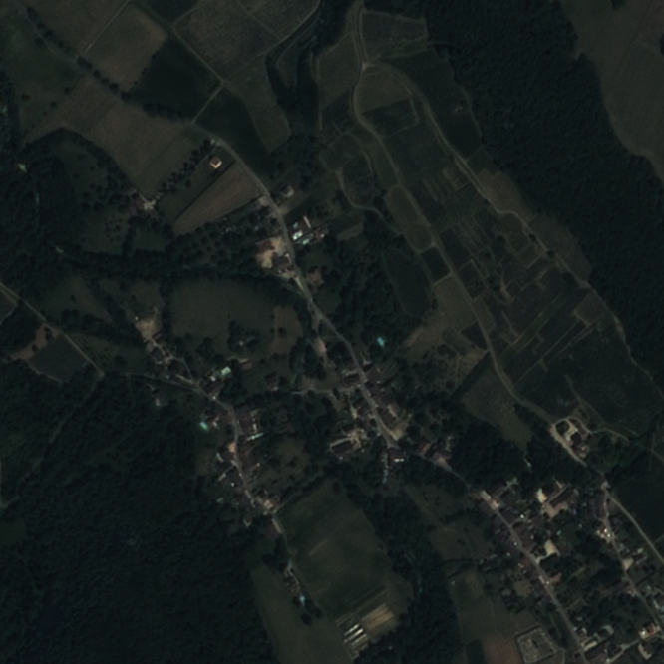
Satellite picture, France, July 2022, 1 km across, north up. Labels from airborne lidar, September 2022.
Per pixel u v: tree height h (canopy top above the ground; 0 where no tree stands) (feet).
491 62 60
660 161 0
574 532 0
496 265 0
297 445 0
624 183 74
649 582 20
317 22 0
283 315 0
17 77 0
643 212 64
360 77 0
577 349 0
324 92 0
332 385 0
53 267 74
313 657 0
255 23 0
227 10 0
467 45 54
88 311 0
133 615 59
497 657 0
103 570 52
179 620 79
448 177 0
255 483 0
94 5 0
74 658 46
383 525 62
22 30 0
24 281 56
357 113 0
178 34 0
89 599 51
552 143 50
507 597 28
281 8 0
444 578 49
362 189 0
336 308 0
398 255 0
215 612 88
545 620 0
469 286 0
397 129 0
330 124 0
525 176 63
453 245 0
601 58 0
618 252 65
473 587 0
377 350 37
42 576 40
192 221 0
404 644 49
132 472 33
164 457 53
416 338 0
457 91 0
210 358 29
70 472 50
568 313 0
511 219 0
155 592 63
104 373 0
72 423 47
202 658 79
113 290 0
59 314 0
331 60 0
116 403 44
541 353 0
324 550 0
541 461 95
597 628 23
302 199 0
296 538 0
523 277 0
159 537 65
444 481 43
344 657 0
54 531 80
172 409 35
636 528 31
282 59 0
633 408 0
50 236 64
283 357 25
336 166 0
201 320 0
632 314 74
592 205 56
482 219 0
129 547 38
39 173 107
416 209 0
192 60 0
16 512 61
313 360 52
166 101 0
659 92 0
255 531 55
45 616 23
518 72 63
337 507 0
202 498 69
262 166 0
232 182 0
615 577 37
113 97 0
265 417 20
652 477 0
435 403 66
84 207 45
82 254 52
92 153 26
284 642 0
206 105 0
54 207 117
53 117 0
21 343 39
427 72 0
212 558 63
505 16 61
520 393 0
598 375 0
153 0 0
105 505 73
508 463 112
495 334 0
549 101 59
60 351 0
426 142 0
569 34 44
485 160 0
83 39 0
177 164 0
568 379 0
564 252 0
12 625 97
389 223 41
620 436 0
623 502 0
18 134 60
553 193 68
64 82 0
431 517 0
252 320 0
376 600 0
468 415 25
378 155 0
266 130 0
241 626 69
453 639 54
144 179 0
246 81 0
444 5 73
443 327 0
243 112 0
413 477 42
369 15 0
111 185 42
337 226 0
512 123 71
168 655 68
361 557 0
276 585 0
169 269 51
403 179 0
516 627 0
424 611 77
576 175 55
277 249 0
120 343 34
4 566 25
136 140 0
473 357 0
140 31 0
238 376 53
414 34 0
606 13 0
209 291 0
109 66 0
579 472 67
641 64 0
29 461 21
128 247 61
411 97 0
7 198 89
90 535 71
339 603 0
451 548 0
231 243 57
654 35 0
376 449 19
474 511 24
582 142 62
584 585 17
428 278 0
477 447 94
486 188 0
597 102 59
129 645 69
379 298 27
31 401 21
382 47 0
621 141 27
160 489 73
